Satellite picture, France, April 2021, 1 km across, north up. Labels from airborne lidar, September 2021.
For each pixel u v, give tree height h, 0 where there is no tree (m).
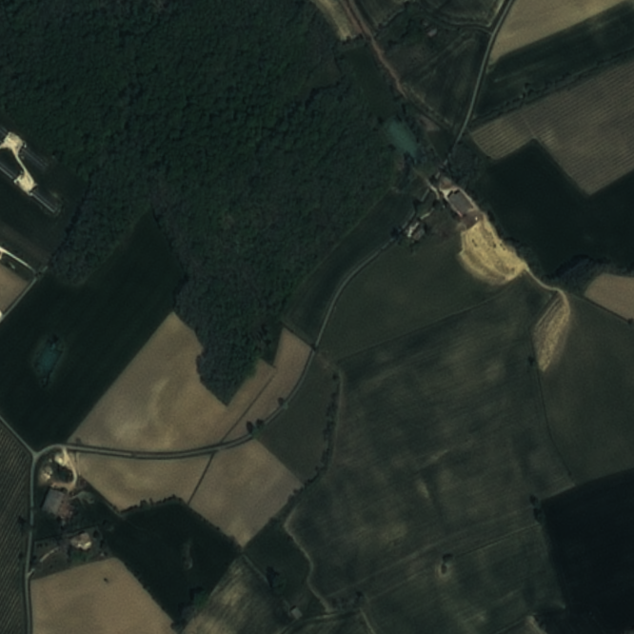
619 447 0
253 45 24
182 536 0
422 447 0
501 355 0
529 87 6
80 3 21
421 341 0
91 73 23
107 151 13
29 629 0
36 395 0
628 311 0
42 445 0
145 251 0
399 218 0
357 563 0
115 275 0
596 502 0
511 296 0
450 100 0
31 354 0
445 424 0
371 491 0
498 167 0
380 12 0
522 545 0
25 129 11
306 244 20
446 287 0
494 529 0
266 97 22
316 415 0
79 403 0
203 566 0
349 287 0
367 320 0
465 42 0
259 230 18
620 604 0
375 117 18
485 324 0
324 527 0
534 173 0
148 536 0
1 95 20
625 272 13
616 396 0
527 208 0
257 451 0
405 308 0
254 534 0
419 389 0
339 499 0
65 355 0
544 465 0
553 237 0
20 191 0
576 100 0
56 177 0
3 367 0
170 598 0
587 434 0
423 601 0
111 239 20
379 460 0
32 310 0
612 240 0
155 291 0
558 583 0
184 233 21
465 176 12
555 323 0
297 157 23
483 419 0
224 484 0
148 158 24
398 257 0
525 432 0
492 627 0
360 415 0
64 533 9
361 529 0
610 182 0
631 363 0
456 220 12
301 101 13
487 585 0
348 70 18
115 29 9
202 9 24
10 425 0
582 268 20
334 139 23
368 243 0
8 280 0
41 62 21
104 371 0
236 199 19
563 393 0
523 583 0
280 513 0
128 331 0
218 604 0
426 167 27
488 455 0
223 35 25
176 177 26
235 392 20
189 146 27
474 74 0
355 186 20
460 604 0
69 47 23
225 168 19
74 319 0
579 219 0
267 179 20
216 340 20
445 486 0
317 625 0
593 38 0
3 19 26
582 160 0
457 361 0
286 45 22
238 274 15
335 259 0
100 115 19
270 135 16
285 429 0
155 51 22
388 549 0
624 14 0
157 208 18
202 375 15
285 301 8
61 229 0
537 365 17
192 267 21
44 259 0
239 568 0
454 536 0
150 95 24
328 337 0
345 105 24
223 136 23
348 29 0
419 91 0
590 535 0
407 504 0
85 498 0
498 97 0
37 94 22
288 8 14
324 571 0
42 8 21
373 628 0
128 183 21
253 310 28
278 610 0
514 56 0
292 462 0
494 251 0
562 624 0
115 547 0
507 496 0
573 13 0
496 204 0
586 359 0
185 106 26
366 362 0
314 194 20
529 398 0
